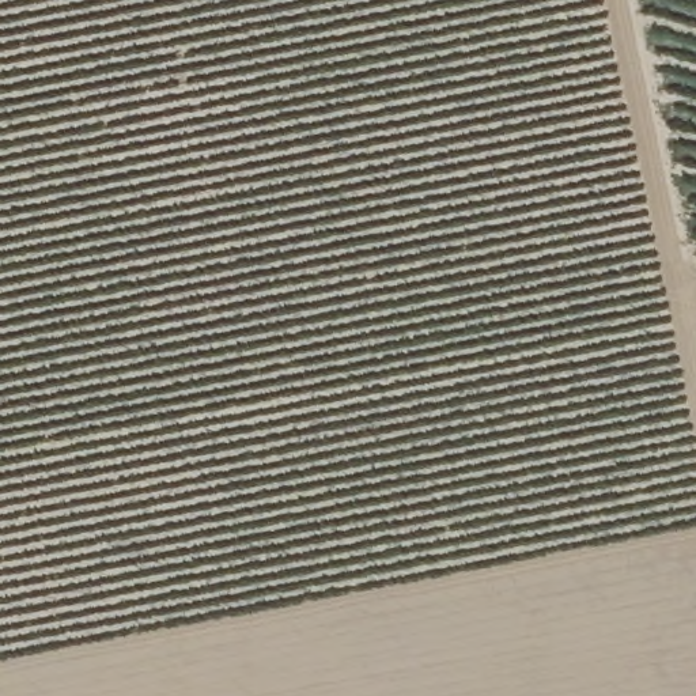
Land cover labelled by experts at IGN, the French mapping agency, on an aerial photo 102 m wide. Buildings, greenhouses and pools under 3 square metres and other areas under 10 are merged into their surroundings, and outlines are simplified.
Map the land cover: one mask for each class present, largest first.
<instances>
[{"label":"vineyard","instance_id":"1","mask_svg":"<svg viewBox=\"0 0 696 696\"><path fill-rule=\"evenodd\" d=\"M604 0H0V661L95 642H111L179 625H198L223 617H242L266 609H285L307 601L367 593L394 585H413L451 574L538 560L557 552L623 544L696 527V435L691 413L685 408L682 370L674 348V332L669 324L672 315L661 277V261L653 242V228L647 223L644 185L636 171V144L631 136V120L620 98V71L612 54V38L604 30ZM642 14H647L653 24L647 27V46L663 57V65H658V73L663 76V90L677 92L674 103H666L661 109V117L672 128V160L682 163V174L674 177V185L682 196V207L688 215V234L691 239H696V0H639Z\"/></svg>","mask_w":696,"mask_h":696},{"label":"plowed land","instance_id":"2","mask_svg":"<svg viewBox=\"0 0 696 696\"><path fill-rule=\"evenodd\" d=\"M0 696H696V527L623 544L557 552L538 560L451 574L413 585H394L367 593L307 601L285 609H266L242 617H223L198 625H179L111 642H95L0 661Z\"/></svg>","mask_w":696,"mask_h":696},{"label":"pervious surface","instance_id":"3","mask_svg":"<svg viewBox=\"0 0 696 696\"><path fill-rule=\"evenodd\" d=\"M604 30L612 38V54L620 71V98L631 120V136L636 144V171L644 185L647 223L653 228V242L661 261V277L672 315L669 324L674 332V348L682 370L685 408L691 413L696 435V239H691L688 234V215L682 207V196L674 185V177L682 174V163L672 160V128L661 117V109L666 103H674L677 92L663 90V76L658 73V65H663V57L647 46V27L653 24L647 14H642L639 0H604Z\"/></svg>","mask_w":696,"mask_h":696}]
</instances>
